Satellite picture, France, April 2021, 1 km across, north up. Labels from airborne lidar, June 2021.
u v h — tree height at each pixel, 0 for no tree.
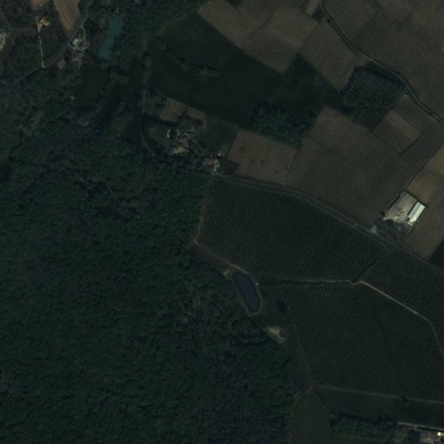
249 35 0
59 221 23
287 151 0
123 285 30
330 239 6
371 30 0
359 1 0
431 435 0
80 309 27
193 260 12
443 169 0
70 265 22
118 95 0
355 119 13
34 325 25
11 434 26
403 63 0
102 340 24
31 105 24
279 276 0
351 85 14
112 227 24
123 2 21
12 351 25
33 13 20
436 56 0
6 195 31
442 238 0
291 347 0
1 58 0
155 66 0
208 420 24
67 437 25
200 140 0
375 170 0
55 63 0
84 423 23
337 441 0
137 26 23
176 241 23
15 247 18
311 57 0
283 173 0
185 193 24
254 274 0
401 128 0
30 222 23
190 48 0
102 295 20
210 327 21
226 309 16
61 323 27
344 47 0
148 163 28
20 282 24
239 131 0
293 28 0
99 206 26
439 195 0
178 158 15
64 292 24
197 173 23
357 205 0
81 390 26
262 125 23
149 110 0
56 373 25
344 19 0
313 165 0
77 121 18
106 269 25
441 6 0
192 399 23
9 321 25
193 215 24
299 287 0
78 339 28
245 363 25
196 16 0
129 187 23
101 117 0
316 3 0
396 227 16
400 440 22
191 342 13
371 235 0
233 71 0
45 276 21
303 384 22
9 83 22
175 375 27
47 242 17
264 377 22
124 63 22
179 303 21
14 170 16
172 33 0
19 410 22
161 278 28
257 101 0
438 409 0
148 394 27
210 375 24
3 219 26
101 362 29
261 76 0
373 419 0
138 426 27
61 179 24
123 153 25
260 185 0
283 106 0
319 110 0
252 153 0
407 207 0
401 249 0
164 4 23
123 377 26
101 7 19
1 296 26
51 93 21
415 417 0
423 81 0
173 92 0
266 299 0
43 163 24
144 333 21
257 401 23
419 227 0
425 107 0
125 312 25
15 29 16
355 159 0
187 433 19
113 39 0
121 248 27
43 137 27
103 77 0
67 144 28
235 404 22
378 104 19
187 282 20
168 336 25
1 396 26
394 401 0
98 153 26
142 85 0
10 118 20
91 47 9
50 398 22
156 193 24
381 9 0
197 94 0
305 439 0
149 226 23
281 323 0
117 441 24
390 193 0
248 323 21
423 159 0
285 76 0
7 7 14
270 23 0
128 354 23
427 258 0
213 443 29
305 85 0
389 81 19
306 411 0
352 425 22
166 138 0
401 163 0
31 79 15
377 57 0
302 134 22
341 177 0
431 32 0
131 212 20
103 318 24
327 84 0
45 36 0
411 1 0
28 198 27
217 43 0
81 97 0
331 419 0
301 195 0
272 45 0
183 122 12
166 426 26
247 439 27
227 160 0
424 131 0
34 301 26
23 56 20
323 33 0
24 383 23
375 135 0
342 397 0
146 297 27
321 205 0
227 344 26
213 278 24
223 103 0
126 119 26
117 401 22
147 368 25
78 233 18
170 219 24
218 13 0
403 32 0
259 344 30
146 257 26
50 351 24
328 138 0
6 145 22
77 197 24
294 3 0
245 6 0
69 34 0
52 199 26
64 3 0
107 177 22
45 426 25
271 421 27
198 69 6
